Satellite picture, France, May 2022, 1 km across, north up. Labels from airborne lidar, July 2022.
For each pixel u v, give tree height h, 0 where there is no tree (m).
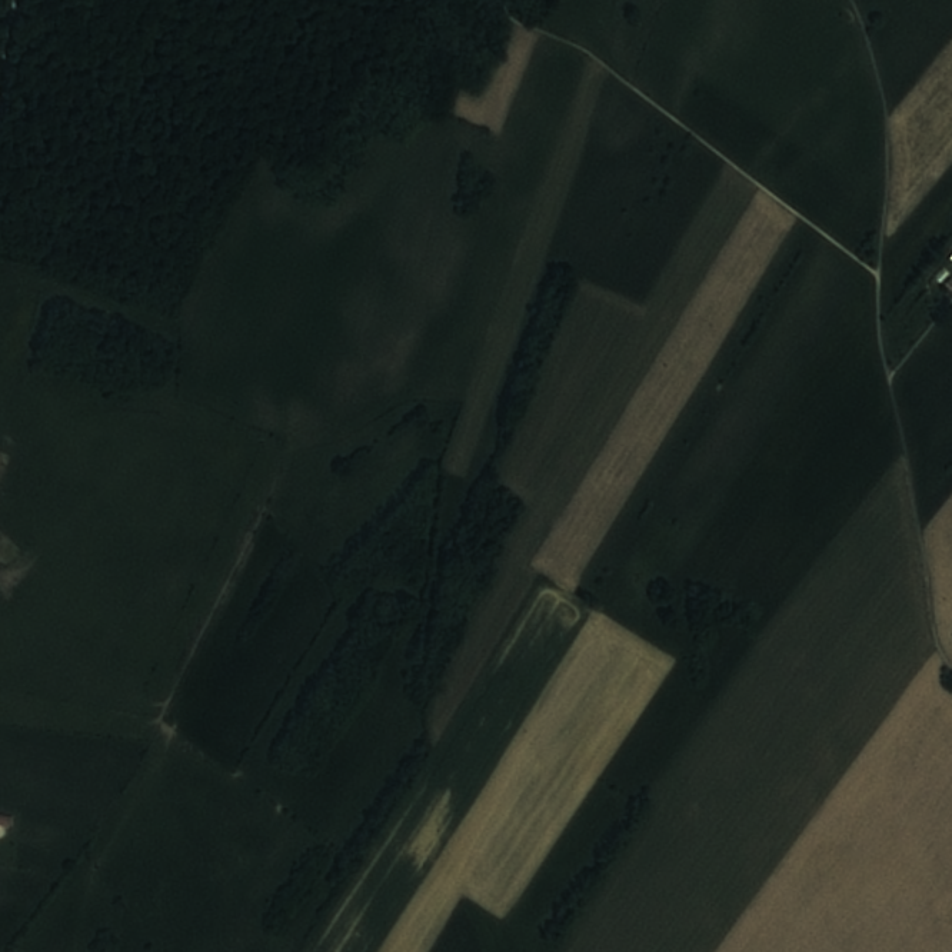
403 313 0
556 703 0
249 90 24
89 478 0
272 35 25
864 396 0
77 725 0
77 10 29
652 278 0
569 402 0
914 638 0
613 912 0
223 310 0
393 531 18
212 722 0
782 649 0
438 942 0
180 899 0
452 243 0
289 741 20
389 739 0
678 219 0
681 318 0
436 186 0
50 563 0
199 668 0
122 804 0
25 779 0
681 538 0
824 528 0
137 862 0
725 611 16
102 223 28
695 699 0
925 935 0
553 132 0
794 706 0
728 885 0
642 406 0
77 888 0
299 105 28
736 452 0
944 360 0
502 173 0
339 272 0
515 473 0
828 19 0
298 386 0
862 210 0
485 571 10
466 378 0
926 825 0
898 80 0
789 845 0
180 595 0
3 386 0
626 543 0
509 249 0
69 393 0
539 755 0
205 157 23
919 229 0
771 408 0
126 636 0
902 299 8
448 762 0
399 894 0
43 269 16
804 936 0
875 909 0
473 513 17
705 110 0
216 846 0
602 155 0
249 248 0
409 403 0
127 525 0
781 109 0
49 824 0
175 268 22
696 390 0
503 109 0
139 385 21
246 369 0
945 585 0
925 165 0
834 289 0
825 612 0
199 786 0
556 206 0
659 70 0
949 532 0
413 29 23
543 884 0
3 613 0
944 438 0
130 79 21
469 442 0
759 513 0
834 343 0
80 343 27
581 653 0
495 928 0
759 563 0
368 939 0
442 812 0
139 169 26
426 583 7
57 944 0
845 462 0
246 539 0
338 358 0
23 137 22
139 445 0
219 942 0
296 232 0
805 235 0
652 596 13
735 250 0
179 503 0
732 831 0
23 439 0
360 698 20
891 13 0
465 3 34
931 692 0
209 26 26
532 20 17
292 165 23
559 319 19
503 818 0
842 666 0
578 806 0
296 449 0
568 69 0
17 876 0
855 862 0
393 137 22
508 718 0
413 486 18
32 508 0
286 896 13
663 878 0
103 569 0
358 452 6
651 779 0
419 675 20
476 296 0
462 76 27
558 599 0
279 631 0
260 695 0
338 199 13
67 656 0
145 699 0
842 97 0
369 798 0
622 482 0
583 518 0
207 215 19
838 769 0
